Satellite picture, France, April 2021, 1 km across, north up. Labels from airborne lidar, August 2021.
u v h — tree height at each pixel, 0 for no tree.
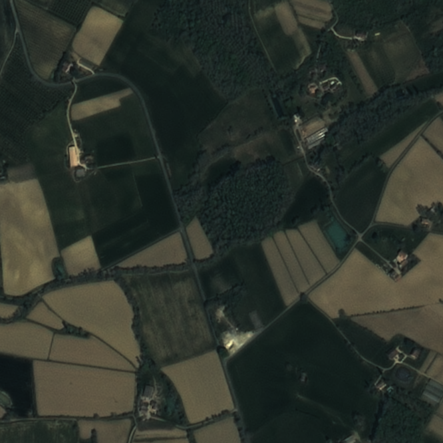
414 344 12
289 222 0
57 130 0
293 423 0
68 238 0
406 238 0
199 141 7
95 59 0
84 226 0
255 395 0
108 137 0
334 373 0
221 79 19
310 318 0
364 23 13
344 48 8
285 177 20
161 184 0
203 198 20
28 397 0
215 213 20
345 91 14
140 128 0
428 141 10
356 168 12
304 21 0
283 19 0
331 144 8
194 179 16
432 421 0
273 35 0
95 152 0
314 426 0
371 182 0
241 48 31
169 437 0
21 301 11
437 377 0
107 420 0
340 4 11
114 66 0
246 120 0
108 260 0
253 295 0
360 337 0
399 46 0
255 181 23
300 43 0
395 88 11
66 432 0
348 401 0
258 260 0
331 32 7
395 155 0
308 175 0
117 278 16
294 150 0
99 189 0
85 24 0
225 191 24
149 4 0
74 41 0
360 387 0
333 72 18
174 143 0
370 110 22
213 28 29
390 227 0
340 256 0
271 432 0
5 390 0
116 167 0
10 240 0
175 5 13
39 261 0
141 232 0
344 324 0
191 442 10
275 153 0
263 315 0
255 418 0
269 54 0
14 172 0
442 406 0
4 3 0
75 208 0
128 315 0
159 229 0
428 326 0
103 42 0
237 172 20
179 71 0
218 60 23
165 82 0
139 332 15
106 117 0
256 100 0
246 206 22
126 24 0
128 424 0
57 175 0
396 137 0
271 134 0
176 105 0
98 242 0
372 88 0
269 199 18
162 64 0
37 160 0
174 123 0
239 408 0
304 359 0
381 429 20
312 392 0
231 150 21
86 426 0
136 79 0
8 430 0
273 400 0
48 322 0
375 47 0
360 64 0
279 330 0
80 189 0
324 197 0
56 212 0
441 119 0
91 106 0
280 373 0
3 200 0
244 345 0
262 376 0
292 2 0
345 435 0
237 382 0
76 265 0
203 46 18
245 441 14
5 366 0
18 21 0
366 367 0
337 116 12
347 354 0
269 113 0
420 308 0
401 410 20
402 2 10
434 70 17
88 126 0
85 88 0
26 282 0
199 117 0
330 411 0
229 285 0
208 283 0
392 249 0
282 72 0
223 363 0
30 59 0
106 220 0
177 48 0
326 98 14
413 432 17
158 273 13
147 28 0
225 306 11
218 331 10
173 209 0
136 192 0
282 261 0
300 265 0
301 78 9
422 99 15
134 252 0
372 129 27
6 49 0
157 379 0
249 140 7
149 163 0
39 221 0
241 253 0
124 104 0
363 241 0
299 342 0
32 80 6
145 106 0
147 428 0
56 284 14
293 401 0
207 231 10
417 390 0
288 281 0
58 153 0
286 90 15
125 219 0
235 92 19
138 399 11
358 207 0
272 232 20
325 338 0
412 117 0
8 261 0
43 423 0
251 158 0
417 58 0
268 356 0
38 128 0
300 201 0
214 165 0
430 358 0
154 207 0
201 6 26
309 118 9
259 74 27
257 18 0
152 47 0
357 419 19
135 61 0
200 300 0
